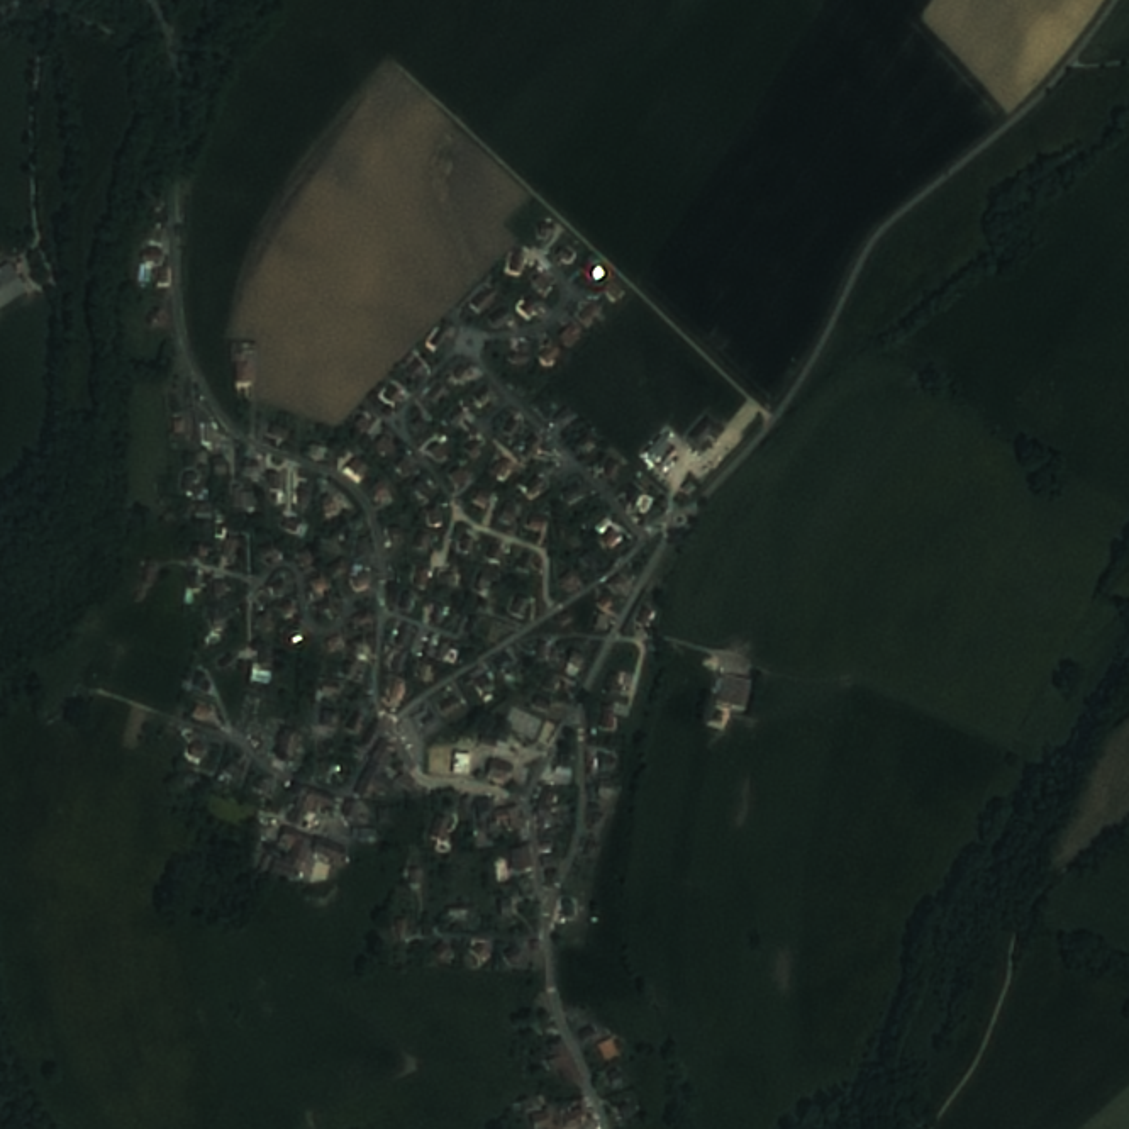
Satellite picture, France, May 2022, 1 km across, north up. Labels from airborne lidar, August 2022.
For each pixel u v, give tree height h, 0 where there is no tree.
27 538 15
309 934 0
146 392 0
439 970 0
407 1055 0
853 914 0
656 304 0
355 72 0
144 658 0
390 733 0
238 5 29
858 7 0
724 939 0
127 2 14
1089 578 0
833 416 0
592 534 10
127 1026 0
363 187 0
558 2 0
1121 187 0
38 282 7
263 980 0
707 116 0
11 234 7
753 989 0
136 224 23
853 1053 0
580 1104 0
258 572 6
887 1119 16
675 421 0
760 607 0
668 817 0
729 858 0
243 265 0
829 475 0
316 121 0
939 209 0
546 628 0
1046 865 15
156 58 14
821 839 0
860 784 0
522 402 0
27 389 0
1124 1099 0
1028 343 0
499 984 0
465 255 0
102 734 0
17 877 0
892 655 0
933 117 0
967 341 0
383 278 0
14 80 0
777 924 0
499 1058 0
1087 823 0
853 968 0
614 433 0
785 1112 0
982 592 0
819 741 0
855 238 0
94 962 0
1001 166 0
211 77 26
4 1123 20
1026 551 0
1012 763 8
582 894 0
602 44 0
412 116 0
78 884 0
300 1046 0
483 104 0
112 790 0
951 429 0
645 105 0
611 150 0
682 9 0
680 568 0
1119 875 0
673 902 0
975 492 0
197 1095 0
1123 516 0
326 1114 0
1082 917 0
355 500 5
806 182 0
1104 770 0
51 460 19
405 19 0
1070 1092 0
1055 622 0
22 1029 0
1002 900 16
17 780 0
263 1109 0
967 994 14
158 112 18
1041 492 19
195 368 0
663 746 0
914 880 0
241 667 9
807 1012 0
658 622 0
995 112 0
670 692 0
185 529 6
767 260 0
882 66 0
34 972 0
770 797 0
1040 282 0
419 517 6
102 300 19
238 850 15
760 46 0
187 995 0
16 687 16
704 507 13
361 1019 0
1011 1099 0
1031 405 0
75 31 8
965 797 0
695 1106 18
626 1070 0
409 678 8
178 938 0
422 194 0
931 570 0
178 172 21
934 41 0
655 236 0
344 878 0
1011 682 0
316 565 12
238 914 12
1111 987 0
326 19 0
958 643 0
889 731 0
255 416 0
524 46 0
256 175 0
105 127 0
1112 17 0
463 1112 0
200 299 0
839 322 0
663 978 0
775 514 0
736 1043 0
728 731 0
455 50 0
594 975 0
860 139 0
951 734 0
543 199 0
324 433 6
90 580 25
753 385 0
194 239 0
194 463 12
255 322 0
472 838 7
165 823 0
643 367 0
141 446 0
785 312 0
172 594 0
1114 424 0
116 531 25
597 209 0
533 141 0
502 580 7
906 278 0
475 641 7
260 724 0
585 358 0
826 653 0
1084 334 0
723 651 0
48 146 0
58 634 21
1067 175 19
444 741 0
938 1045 14
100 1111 0
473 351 0
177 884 24
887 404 0
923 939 24
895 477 0
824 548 0
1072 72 9
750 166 0
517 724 0
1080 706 0
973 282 6
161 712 0
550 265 0
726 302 0
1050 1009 0
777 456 0
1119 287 0
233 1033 0
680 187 0
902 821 0
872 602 0
